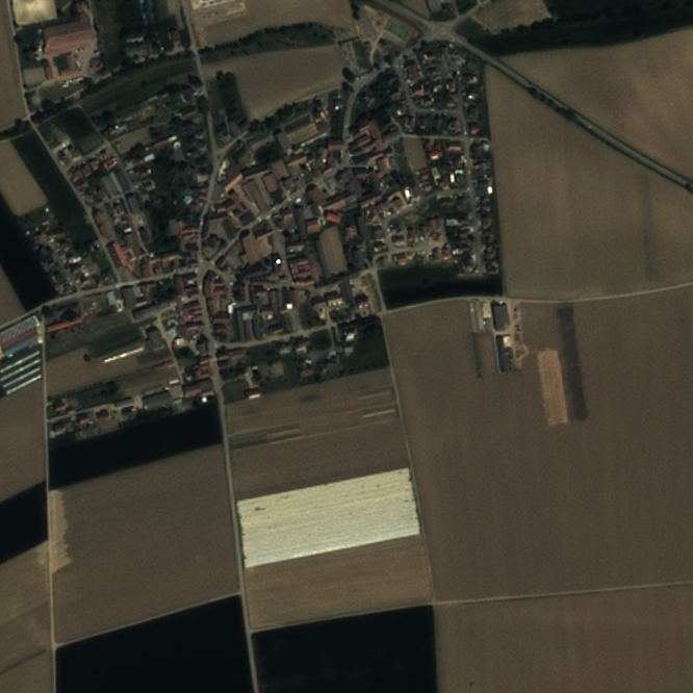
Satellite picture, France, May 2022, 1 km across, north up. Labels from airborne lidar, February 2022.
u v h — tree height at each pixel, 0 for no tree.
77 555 0
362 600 0
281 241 0
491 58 0
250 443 0
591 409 0
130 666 0
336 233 0
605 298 0
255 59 0
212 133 0
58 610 0
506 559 0
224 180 0
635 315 0
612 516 0
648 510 0
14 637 0
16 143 0
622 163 0
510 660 0
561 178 0
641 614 0
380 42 6
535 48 0
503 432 0
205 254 0
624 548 0
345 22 0
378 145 0
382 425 0
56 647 0
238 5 0
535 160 0
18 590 0
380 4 0
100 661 0
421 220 0
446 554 0
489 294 0
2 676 0
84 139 0
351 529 0
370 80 0
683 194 0
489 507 0
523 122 0
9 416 0
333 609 0
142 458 0
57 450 0
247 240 0
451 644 0
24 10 0
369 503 0
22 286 0
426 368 0
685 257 0
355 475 0
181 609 0
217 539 0
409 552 0
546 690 0
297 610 0
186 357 11
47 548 0
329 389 0
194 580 0
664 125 0
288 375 0
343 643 0
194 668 0
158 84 0
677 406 0
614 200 0
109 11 0
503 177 0
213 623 0
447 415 0
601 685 0
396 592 0
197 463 0
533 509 0
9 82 0
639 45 0
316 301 0
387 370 0
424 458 0
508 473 0
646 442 0
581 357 0
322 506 0
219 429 0
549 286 0
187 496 0
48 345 0
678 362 0
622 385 0
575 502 0
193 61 0
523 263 0
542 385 0
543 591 0
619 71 0
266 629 0
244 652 0
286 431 0
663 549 0
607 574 0
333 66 0
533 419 0
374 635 0
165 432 0
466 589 0
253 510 0
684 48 0
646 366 0
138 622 0
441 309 0
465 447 0
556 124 0
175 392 0
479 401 0
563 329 0
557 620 0
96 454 0
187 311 0
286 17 0
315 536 0
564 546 0
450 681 0
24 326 0
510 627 0
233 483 0
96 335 0
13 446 0
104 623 0
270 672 0
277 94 0
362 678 0
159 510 0
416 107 0
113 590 0
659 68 0
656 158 0
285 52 0
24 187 0
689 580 0
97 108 0
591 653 0
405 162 0
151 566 0
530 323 0
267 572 0
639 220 0
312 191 0
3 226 0
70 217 0
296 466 0
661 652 0
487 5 0
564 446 0
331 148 0
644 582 0
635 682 0
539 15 0
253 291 0
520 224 0
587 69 0
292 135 0
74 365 0
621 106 0
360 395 0
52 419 0
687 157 0
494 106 0
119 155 0
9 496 0
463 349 0
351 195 0
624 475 0
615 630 0
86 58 0
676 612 0
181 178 0
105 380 0
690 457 0
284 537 0
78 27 0
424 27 0
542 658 0
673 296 0
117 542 0
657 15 0
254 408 0
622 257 0
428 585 0
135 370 0
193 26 0
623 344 0
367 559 0
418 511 0
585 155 0
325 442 0
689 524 0
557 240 0
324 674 0
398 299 0
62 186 0
